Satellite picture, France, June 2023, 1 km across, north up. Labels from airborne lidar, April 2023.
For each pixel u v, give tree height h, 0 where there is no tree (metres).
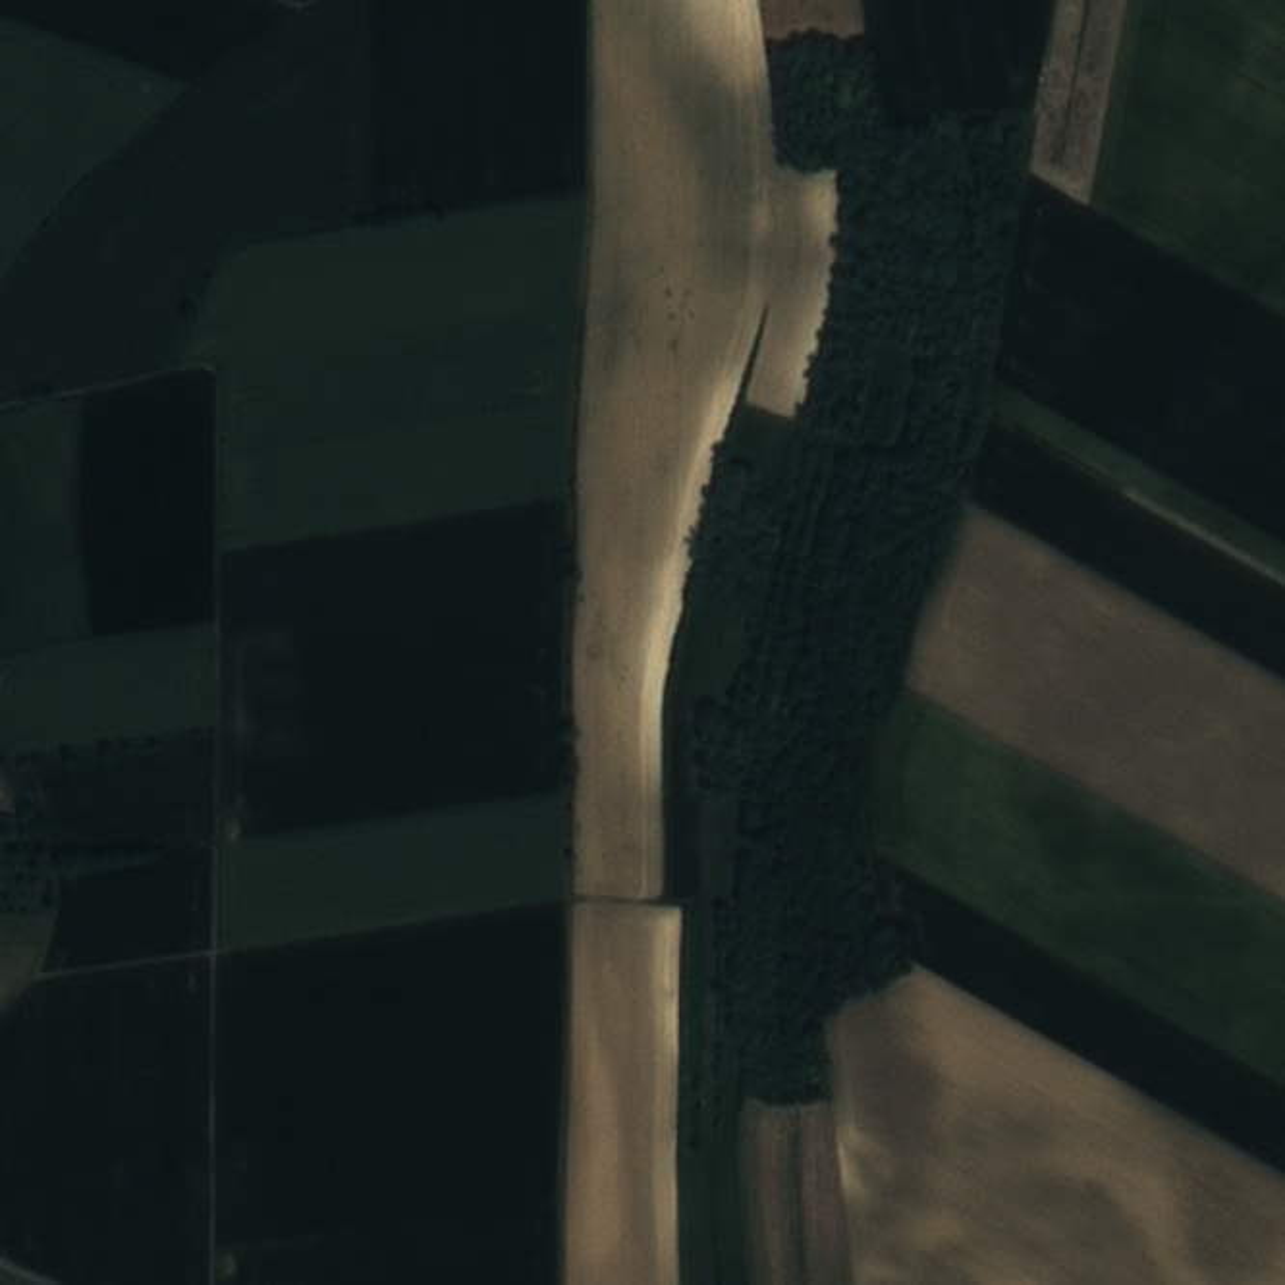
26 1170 0
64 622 0
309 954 0
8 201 0
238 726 0
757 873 20
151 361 0
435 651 0
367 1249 0
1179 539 0
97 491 0
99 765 0
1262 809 0
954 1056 0
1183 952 0
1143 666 0
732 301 0
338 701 0
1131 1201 0
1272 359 0
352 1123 0
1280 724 0
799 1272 0
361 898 0
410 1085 0
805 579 6
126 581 0
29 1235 0
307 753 0
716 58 0
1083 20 0
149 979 0
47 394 15
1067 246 0
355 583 0
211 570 0
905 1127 0
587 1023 0
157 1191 0
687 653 0
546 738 0
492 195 0
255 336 0
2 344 0
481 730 0
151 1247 0
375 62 0
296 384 0
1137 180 0
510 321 0
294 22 0
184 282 0
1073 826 0
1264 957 0
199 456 0
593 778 0
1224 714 0
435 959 0
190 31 0
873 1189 0
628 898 0
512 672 0
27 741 0
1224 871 0
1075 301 0
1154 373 0
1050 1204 0
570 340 0
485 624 0
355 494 0
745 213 0
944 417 20
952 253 19
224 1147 0
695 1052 0
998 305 14
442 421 0
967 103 0
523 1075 0
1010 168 9
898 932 18
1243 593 0
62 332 0
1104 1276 0
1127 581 0
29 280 0
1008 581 0
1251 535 0
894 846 0
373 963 0
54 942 0
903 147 18
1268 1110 0
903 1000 0
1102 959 0
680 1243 0
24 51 0
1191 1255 0
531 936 0
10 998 0
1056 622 0
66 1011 0
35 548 0
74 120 0
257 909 0
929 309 15
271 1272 0
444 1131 0
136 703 0
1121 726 0
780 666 15
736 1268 0
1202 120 0
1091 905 0
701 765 14
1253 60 0
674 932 0
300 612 0
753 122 0
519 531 0
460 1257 0
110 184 0
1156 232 0
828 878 24
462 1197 0
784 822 22
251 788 0
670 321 0
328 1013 0
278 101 0
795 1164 0
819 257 0
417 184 0
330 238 0
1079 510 0
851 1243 0
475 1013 0
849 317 13
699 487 0
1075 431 0
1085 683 0
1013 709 0
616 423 0
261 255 0
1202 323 0
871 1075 0
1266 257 0
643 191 0
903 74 0
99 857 15
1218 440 0
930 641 0
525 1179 0
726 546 13
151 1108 0
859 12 0
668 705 0
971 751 0
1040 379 0
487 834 0
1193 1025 0
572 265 0
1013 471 0
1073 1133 0
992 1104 0
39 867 7
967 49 0
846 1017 0
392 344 0
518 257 0
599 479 0
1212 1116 0
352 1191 0
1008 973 0
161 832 0
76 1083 0
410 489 0
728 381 0
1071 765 0
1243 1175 0
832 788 26
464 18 0
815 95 15
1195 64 0
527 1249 0
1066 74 0
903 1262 0
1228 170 0
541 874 0
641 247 0
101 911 0
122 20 0
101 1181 0
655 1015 0
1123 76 0
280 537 0
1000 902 0
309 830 0
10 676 0
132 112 0
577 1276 0
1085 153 0
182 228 0
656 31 0
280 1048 0
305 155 0
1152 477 0
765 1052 6
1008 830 0
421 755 0
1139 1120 0
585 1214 0
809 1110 0
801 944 21
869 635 25
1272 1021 0
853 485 17
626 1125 0
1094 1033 0
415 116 0
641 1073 0
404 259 0
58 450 0
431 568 0
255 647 0
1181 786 0
